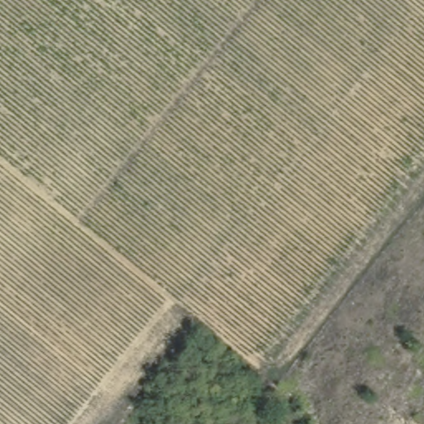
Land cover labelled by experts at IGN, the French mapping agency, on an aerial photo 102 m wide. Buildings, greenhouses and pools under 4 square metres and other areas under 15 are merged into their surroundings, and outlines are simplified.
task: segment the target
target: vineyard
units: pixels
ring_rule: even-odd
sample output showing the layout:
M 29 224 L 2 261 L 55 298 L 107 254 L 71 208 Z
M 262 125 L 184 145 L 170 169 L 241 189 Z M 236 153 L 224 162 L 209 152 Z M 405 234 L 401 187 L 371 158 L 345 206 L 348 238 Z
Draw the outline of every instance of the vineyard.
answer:
M 358 277 L 358 273 L 369 262 L 369 258 L 373 257 L 376 250 L 386 242 L 391 230 L 406 214 L 407 207 L 416 202 L 424 192 L 424 0 L 0 0 L 0 424 L 98 424 L 99 421 L 111 416 L 113 404 L 118 401 L 119 396 L 137 393 L 137 381 L 142 376 L 142 363 L 154 363 L 157 354 L 161 354 L 166 348 L 169 335 L 181 326 L 182 318 L 197 318 L 202 323 L 209 326 L 210 330 L 219 336 L 220 341 L 229 344 L 243 361 L 257 369 L 263 381 L 267 378 L 268 369 L 273 366 L 280 368 L 298 354 L 311 333 L 325 320 L 331 308 L 344 295 L 344 291 L 348 290 L 349 283 Z

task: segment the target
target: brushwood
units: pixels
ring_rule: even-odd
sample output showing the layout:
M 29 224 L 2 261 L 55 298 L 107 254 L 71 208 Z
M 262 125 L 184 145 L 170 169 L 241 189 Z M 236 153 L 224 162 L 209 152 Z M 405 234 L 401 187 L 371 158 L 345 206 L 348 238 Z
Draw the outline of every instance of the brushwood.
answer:
M 412 353 L 421 348 L 421 344 L 412 336 L 411 331 L 404 330 L 402 336 L 399 336 L 402 348 Z
M 184 351 L 179 356 L 181 374 L 157 374 L 156 379 L 147 383 L 146 393 L 157 393 L 159 399 L 144 399 L 141 404 L 132 407 L 126 424 L 287 424 L 288 421 L 308 416 L 301 407 L 300 397 L 278 397 L 277 391 L 265 386 L 263 381 L 257 369 L 243 361 L 229 344 L 220 341 L 219 336 L 210 330 L 209 326 L 202 323 L 197 331 L 190 335 Z

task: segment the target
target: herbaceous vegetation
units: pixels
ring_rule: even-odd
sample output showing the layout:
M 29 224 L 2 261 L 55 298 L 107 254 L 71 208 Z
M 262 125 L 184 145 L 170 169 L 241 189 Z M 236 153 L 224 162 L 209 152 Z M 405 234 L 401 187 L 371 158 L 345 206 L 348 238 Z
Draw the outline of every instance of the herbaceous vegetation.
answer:
M 113 404 L 111 416 L 99 421 L 98 424 L 126 424 L 132 407 L 141 404 L 144 399 L 159 399 L 157 393 L 146 393 L 147 383 L 156 379 L 157 374 L 181 374 L 179 356 L 184 351 L 190 335 L 197 331 L 202 323 L 197 318 L 182 318 L 181 326 L 169 335 L 166 348 L 161 354 L 157 354 L 154 363 L 142 363 L 142 376 L 137 381 L 137 393 L 119 396 L 118 401 Z
M 421 348 L 412 353 L 402 348 L 399 336 L 402 336 L 404 330 L 411 331 L 412 336 L 421 344 Z M 278 397 L 300 397 L 301 407 L 308 416 L 288 421 L 287 424 L 424 424 L 424 192 L 416 202 L 407 207 L 406 214 L 391 230 L 386 242 L 376 250 L 373 257 L 369 258 L 369 262 L 358 273 L 358 277 L 349 283 L 348 290 L 344 291 L 344 295 L 331 308 L 325 320 L 311 333 L 298 354 L 280 368 L 273 366 L 268 369 L 267 378 L 263 381 L 265 386 L 277 391 Z

